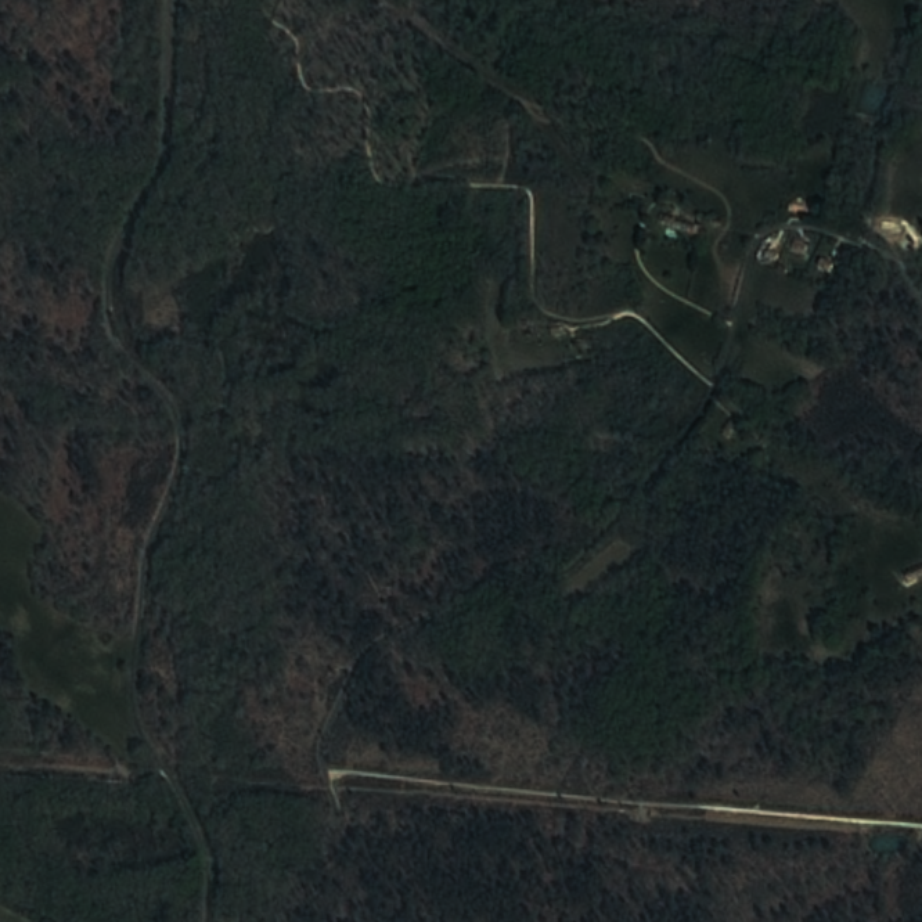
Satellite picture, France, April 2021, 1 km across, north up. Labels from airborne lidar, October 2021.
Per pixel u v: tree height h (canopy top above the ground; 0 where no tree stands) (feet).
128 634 59
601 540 34
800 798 0
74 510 40
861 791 0
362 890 31
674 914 73
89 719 0
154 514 25
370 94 67
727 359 0
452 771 59
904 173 0
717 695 39
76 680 0
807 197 0
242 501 56
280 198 64
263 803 72
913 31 30
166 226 95
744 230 0
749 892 46
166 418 53
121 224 67
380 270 62
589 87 39
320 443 76
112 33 45
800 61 73
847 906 31
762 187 0
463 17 75
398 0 64
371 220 57
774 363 0
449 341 49
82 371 52
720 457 33
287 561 34
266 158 70
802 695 66
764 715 39
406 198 48
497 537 51
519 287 51
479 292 61
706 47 46
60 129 58
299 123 51
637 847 34
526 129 54
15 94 33
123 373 48
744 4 20
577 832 80
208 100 64
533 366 0
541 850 29
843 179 37
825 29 53
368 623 53
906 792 0
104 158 80
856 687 85
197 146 59
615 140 57
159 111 40
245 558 74
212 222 89
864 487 56
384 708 44
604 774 46
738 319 0
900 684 69
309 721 0
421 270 70
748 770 35
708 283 0
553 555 39
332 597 76
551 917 75
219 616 92
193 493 62
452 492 69
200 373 54
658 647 51
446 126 0
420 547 50
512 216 21
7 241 40
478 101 31
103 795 57
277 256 69
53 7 44
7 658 69
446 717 73
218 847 58
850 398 25
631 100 48
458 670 57
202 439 44
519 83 75
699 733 45
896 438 22
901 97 57
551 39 65
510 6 92
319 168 53
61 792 56
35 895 59
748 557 85
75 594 21
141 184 70
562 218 0
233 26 70
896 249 41
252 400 96
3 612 0
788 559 59
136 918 62
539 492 55
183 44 35
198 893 46
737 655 57
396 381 52
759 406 67
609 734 73
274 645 60
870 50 0
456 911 69
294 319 54
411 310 71
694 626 94
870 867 41
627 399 33
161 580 80
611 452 39
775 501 98
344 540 25
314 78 59
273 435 90
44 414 60
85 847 54
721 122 27
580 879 80
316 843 58
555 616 88
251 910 71
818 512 43
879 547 0
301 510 25
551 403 85
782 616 0
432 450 86
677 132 61
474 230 46
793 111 65
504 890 49
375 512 65
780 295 0
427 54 73
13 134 60
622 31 54
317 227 66
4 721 52
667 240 29
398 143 57
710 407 32
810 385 29
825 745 63
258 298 80
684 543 75
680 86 58
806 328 51
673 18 28
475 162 0
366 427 93
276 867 51
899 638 70
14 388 44
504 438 70
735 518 92
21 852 56
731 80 66
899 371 30
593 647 57
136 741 0
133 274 74
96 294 31
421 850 85
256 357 62
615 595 55
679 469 61
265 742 32
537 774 40
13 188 45
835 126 22
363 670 50
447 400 57
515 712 76
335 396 69
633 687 69
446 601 66
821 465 61
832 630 57
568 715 50
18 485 63
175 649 64
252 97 99
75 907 70
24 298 41
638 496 64
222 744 45
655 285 0
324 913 25
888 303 57
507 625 78
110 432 55
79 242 87
